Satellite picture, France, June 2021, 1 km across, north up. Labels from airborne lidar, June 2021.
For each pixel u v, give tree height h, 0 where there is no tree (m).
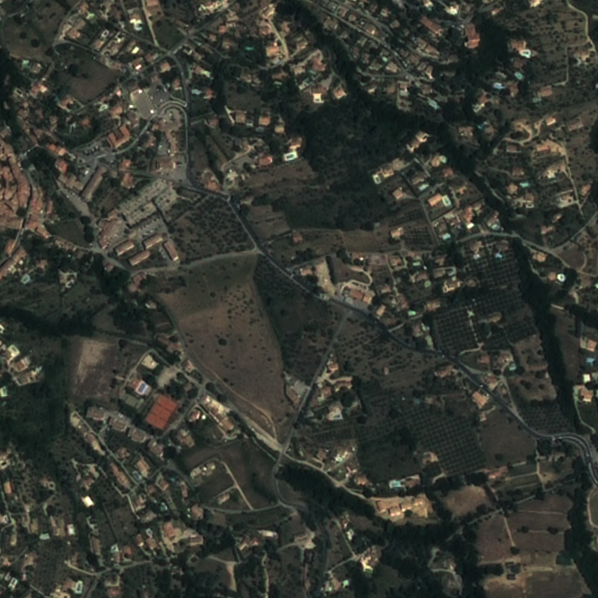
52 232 5
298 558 5
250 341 0
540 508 0
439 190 6
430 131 13
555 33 7
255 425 0
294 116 22
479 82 14
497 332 6
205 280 0
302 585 9
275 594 13
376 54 16
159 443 8
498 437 0
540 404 11
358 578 15
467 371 0
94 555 16
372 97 12
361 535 10
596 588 15
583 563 16
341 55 14
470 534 16
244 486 0
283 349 5
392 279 10
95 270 7
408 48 7
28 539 9
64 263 14
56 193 7
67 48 8
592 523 0
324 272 0
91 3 7
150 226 0
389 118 16
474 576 15
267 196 10
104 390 0
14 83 11
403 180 5
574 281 13
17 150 15
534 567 0
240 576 13
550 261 8
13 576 10
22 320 12
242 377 0
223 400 14
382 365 0
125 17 7
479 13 8
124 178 0
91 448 15
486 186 11
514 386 6
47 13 0
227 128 13
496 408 0
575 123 0
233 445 0
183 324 0
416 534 17
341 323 0
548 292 12
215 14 6
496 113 14
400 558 7
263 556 7
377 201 0
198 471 0
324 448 6
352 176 6
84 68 0
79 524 5
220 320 0
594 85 7
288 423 0
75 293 0
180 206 7
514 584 0
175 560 14
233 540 12
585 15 0
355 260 6
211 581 15
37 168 14
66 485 12
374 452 6
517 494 7
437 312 9
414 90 13
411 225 0
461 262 12
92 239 11
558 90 0
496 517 0
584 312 11
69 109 13
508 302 5
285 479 11
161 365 10
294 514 0
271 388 0
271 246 6
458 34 21
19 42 0
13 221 0
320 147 7
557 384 13
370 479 8
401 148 8
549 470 0
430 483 12
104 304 6
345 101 8
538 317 12
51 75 7
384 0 7
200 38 7
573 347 0
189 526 7
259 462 0
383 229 0
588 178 10
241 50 8
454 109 11
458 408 0
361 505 7
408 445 9
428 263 6
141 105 0
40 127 7
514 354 7
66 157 8
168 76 9
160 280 0
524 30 8
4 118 7
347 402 13
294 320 0
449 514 12
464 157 14
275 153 10
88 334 9
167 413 0
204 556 11
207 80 6
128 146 8
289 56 0
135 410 11
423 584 13
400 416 12
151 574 12
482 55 14
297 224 0
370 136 6
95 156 0
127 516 0
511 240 7
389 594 12
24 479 9
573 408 11
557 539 0
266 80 12
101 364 0
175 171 0
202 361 0
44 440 9
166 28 0
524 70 11
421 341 17
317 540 11
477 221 18
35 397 11
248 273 0
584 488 14
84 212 0
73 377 0
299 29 10
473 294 17
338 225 9
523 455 0
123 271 9
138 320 9
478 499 0
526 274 12
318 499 6
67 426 7
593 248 7
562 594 0
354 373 8
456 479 11
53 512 17
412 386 5
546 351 13
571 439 0
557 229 5
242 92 9
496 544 0
